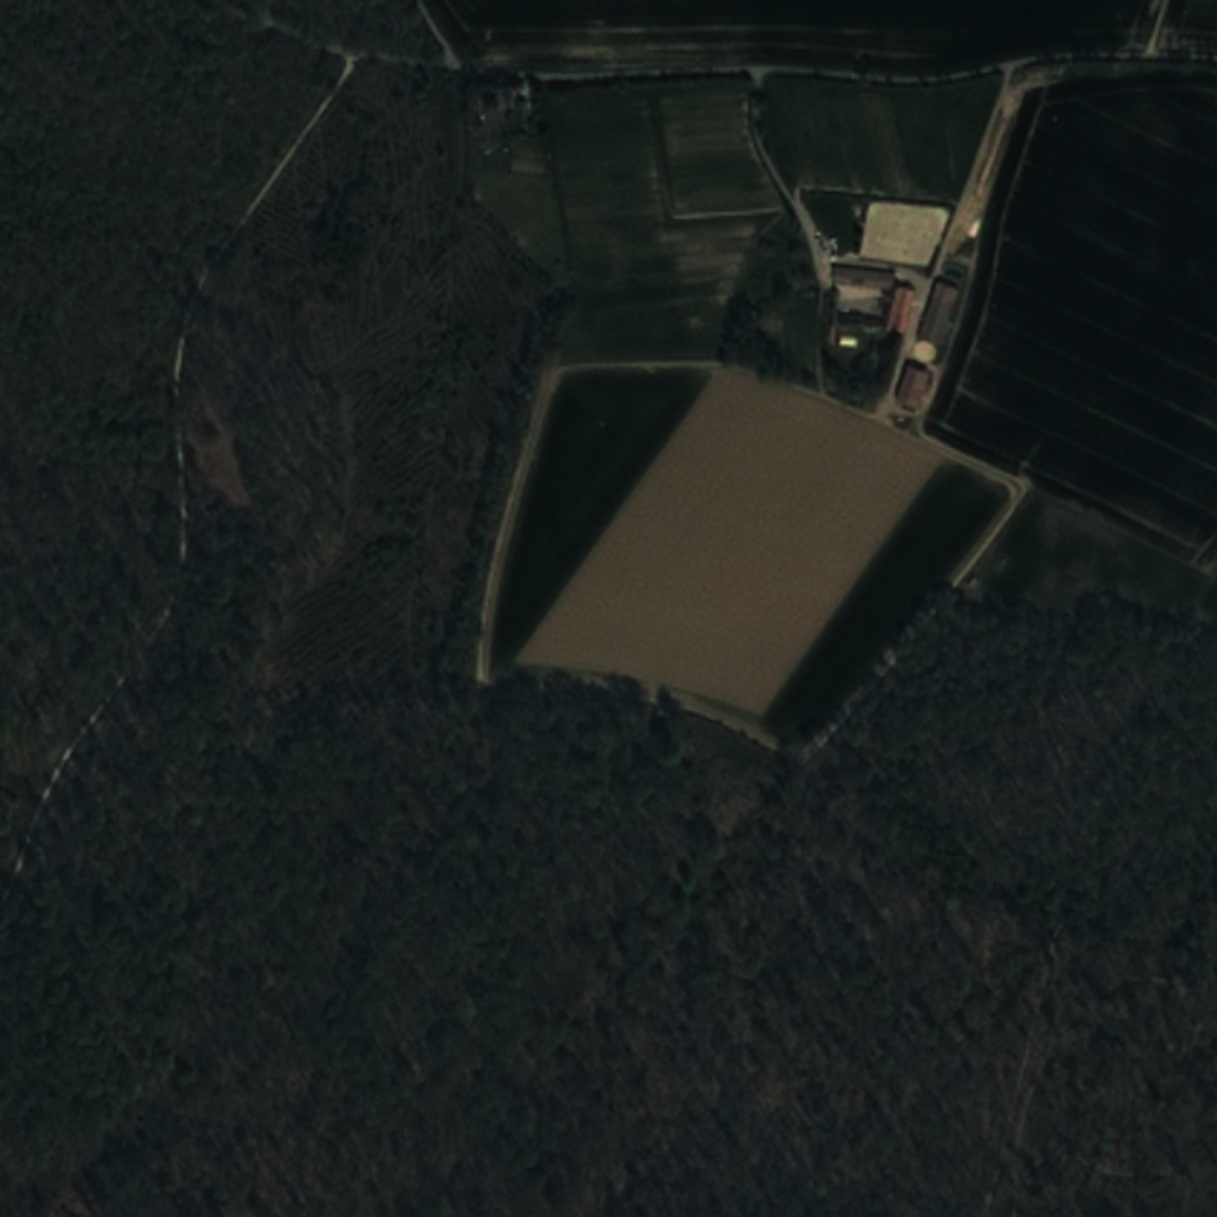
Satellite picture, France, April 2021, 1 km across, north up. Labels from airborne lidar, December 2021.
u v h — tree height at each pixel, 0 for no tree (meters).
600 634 0
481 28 0
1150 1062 40
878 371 0
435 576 0
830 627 0
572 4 0
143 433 20
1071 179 0
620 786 34
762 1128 36
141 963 41
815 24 0
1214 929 24
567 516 0
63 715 37
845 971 38
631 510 0
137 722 39
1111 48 0
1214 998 38
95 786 37
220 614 31
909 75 0
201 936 33
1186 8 0
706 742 8
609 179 0
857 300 0
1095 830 27
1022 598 0
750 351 28
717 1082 36
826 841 35
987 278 0
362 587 6
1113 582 0
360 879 42
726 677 0
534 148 0
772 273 0
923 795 26
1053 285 0
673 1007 42
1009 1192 0
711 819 9
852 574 0
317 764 37
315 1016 42
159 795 34
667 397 0
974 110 0
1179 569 0
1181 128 0
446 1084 36
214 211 21
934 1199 32
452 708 39
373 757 41
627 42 0
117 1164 24
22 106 26
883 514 0
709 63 0
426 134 0
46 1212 28
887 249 0
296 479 27
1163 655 27
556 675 0
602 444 0
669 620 0
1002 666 26
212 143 26
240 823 33
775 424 0
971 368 0
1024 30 0
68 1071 44
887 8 0
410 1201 13
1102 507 0
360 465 0
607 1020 20
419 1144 36
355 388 0
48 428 31
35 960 39
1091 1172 39
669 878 41
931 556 0
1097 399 0
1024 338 0
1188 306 0
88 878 37
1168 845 29
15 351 27
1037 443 0
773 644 0
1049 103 0
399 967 38
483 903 41
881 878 37
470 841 38
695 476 0
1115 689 26
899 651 15
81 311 28
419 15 19
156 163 19
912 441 0
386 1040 37
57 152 19
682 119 0
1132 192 0
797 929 34
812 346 0
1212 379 0
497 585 0
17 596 43
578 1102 25
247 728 32
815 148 0
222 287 24
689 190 0
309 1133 27
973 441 0
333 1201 33
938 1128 31
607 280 0
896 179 0
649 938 36
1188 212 0
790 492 0
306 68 18
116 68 20
